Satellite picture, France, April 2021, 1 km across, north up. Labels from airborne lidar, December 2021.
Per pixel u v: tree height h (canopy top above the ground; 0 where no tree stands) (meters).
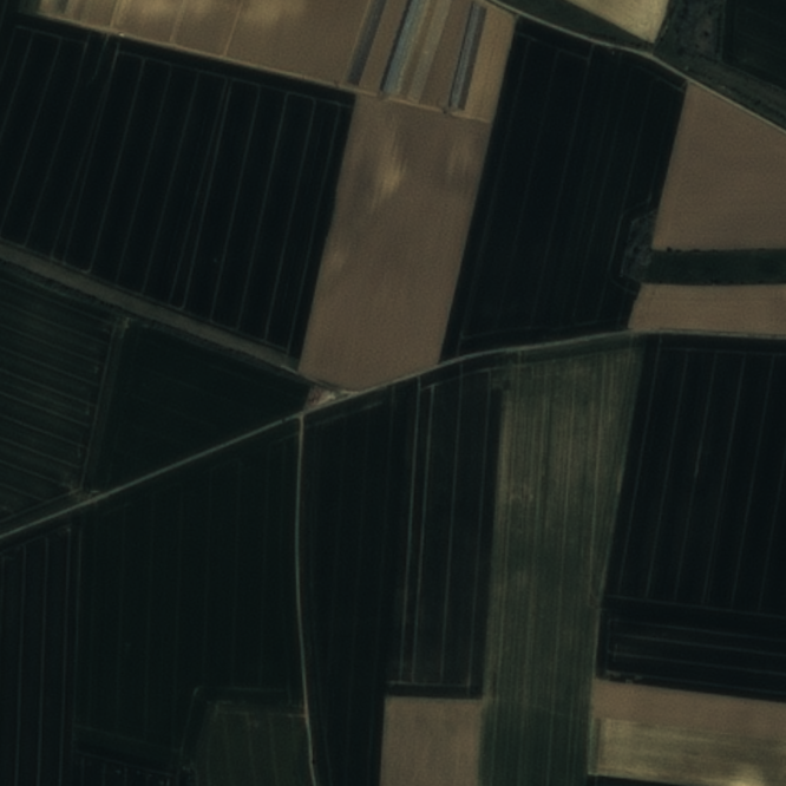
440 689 0
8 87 0
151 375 0
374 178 0
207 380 0
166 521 0
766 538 0
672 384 0
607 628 0
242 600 0
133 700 0
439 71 0
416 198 0
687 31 18
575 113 0
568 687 0
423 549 0
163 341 0
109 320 0
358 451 0
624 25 0
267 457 0
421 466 0
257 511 0
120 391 0
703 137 0
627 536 0
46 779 0
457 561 0
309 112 0
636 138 0
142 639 0
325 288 0
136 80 0
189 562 0
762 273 0
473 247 0
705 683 0
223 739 0
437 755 0
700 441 0
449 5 0
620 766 0
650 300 0
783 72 0
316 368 0
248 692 0
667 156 0
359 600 0
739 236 0
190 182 0
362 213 0
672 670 0
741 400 0
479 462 0
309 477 0
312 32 0
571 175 0
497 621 0
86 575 0
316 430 0
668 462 0
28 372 0
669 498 0
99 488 0
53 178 0
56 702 0
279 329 0
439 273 0
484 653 0
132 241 0
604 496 0
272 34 0
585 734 0
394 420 0
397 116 0
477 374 0
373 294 0
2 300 0
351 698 0
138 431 0
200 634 0
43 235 0
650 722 0
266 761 0
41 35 0
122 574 0
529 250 0
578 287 0
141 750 0
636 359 0
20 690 0
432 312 0
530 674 0
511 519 0
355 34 0
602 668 0
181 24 0
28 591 0
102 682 0
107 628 0
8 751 0
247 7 0
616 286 0
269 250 0
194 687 0
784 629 0
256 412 0
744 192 0
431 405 0
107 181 0
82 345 0
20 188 0
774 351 0
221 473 0
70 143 0
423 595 0
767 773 0
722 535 0
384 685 0
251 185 0
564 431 0
